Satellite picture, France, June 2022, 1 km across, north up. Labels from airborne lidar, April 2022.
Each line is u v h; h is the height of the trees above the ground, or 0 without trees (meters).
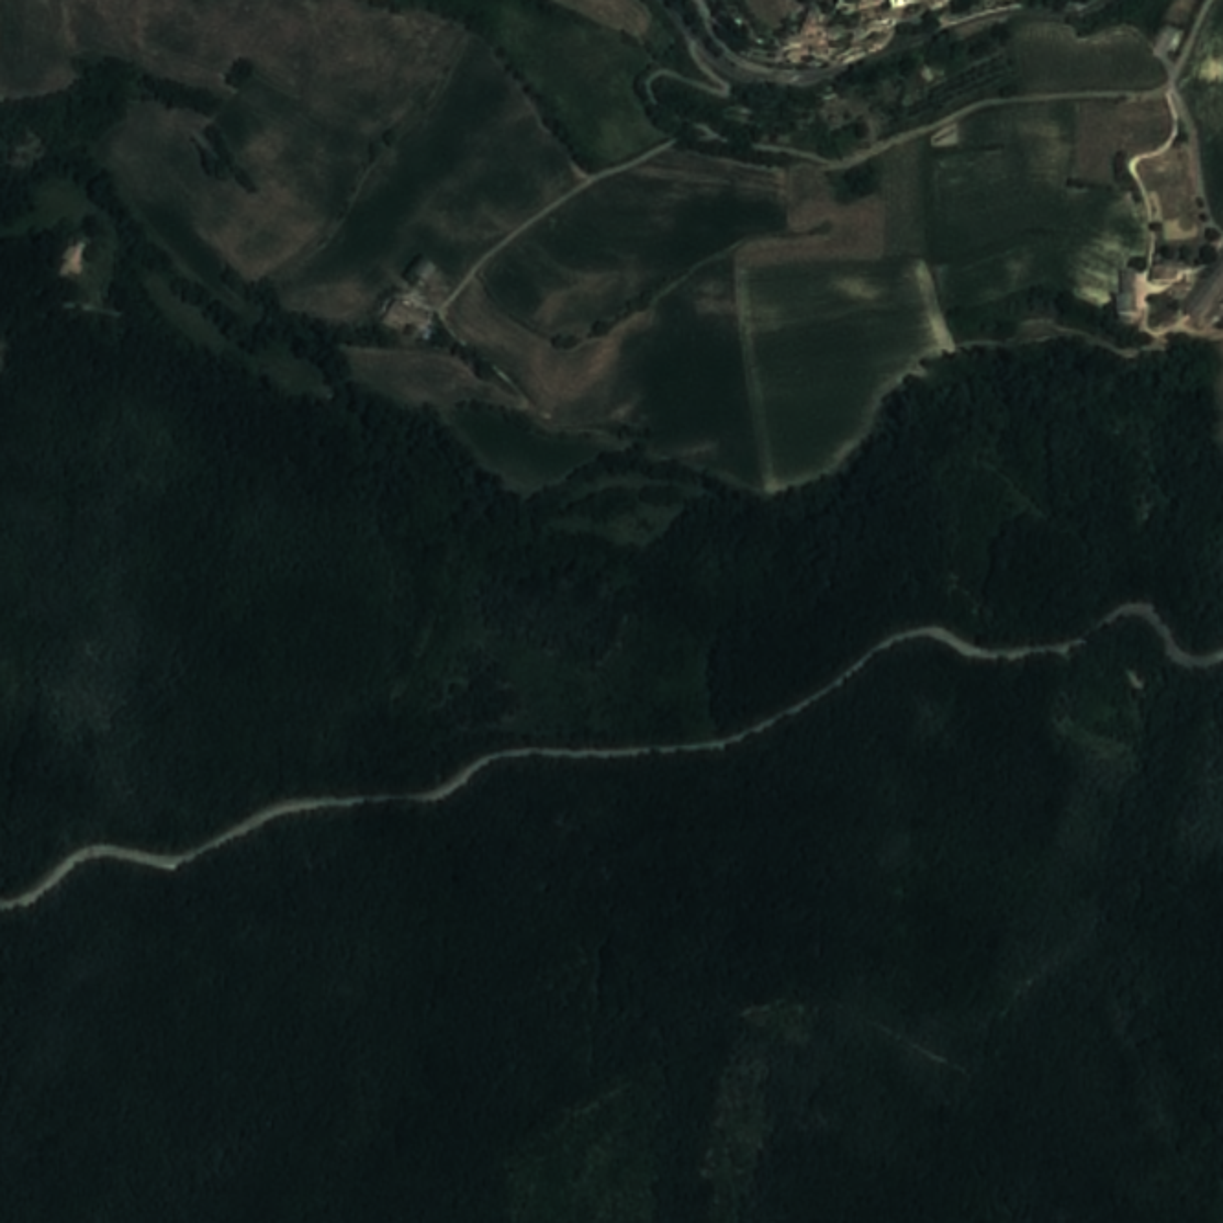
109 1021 10
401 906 9
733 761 6
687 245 0
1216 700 7
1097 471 13
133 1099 7
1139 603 12
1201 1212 8
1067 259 0
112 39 0
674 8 16
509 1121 9
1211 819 7
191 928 11
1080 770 7
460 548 9
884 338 0
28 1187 10
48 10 0
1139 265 11
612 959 14
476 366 15
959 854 12
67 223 7
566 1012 9
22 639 7
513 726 0
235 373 17
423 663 7
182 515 12
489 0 10
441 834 18
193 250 0
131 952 8
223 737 8
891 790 7
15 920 9
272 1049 9
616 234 0
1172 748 14
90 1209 8
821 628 17
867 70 18
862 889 7
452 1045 13
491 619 8
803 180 0
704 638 6
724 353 0
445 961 13
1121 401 15
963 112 0
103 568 6
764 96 15
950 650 9
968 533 6
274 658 7
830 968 10
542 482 0
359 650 10
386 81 0
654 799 13
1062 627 16
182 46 0
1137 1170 9
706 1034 10
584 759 9
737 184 0
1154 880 17
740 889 11
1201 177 0
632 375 0
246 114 0
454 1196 10
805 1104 7
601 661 8
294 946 6
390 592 7
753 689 17
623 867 13
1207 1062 7
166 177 0
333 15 0
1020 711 12
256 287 9
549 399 0
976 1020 6
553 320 0
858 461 7
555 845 9
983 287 0
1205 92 0
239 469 17
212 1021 6
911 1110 9
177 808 7
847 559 20
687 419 0
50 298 17
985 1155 12
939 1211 13
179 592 12
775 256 0
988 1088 11
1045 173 0
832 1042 9
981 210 0
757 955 12
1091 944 8
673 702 6
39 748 15
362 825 12
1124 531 16
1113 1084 8
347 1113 11
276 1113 8
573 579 18
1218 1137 12
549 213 0
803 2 15
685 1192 10
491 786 8
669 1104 9
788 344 0
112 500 7
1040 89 0
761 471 0
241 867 10
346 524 7
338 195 0
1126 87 0
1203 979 8
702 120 9
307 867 9
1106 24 6
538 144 0
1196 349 11
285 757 12
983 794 9
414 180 0
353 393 21
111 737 6
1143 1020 14
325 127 0
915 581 10
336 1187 6
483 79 0
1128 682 9
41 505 9
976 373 7
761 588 14
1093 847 9
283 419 17
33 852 9
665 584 16
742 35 8
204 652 11
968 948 16
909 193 0
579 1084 8
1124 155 7
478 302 0
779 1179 9
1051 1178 10
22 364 15
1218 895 9
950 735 8
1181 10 0
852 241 0
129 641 7
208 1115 10
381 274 0
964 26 0
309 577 8
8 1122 10
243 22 0
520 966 10
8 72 0
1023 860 12
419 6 8
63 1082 7
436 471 7
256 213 0
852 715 9
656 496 10
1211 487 13
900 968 10
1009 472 6
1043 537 12
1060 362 19
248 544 7
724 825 8
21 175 12
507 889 12
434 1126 13
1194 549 13
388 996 7
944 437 8
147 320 15
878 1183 8
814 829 11
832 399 0
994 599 14
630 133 0
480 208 0
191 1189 8
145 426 8
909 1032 6
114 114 7
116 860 6
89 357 15
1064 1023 7
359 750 12
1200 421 12
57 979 9
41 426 9
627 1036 9
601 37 0
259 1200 11
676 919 9
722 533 12
